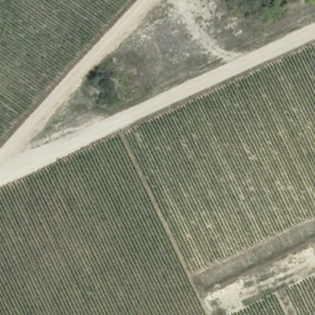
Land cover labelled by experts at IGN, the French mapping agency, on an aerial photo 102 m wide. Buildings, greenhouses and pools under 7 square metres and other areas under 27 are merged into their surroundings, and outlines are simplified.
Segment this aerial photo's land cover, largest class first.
<instances>
[{"label":"vineyard","instance_id":"1","mask_svg":"<svg viewBox=\"0 0 315 315\"><path fill-rule=\"evenodd\" d=\"M137 0H0V148ZM315 221V46L304 49L299 54L284 53L252 66L240 74L148 114L130 123L129 126L108 134L107 137L82 146L75 153L60 157L53 164L0 187V315H215L205 314L202 303L189 283L187 272L208 266V262H213L217 258L229 257L242 250V247L250 246L255 240H262L265 236H273V240H277L279 236L289 234L294 228ZM309 278L295 284L293 288L281 284L242 300L244 309L231 315H315V267H313L308 272Z\"/></svg>","mask_w":315,"mask_h":315},{"label":"herbaceous vegetation","instance_id":"2","mask_svg":"<svg viewBox=\"0 0 315 315\"><path fill-rule=\"evenodd\" d=\"M173 4L167 0H161L153 9L146 12L137 28L107 57L113 60L111 81L117 100H112L111 105L96 103L100 89L92 87L86 78L69 100L57 108L46 127L31 138V148L37 149L39 146L78 133L76 127L82 126L96 116H113L187 80L225 65L223 59L208 54L207 49L192 38V34L187 31L186 23H173L170 20L169 10ZM217 4L214 10L209 11L210 18L197 16L194 21L210 38L215 39L220 48L230 52H252L315 22V0H299L287 4V16L282 20L262 22L266 12L261 16L244 17L239 14V6H234L233 10H226L223 0H210ZM308 247L315 255V221L294 228L289 234L279 236L277 240H273V236H265L262 240H255L250 246L242 247V250L229 257L217 258L213 262H208V266L187 272L189 283L202 303L209 292L223 289L239 278L244 281V287L247 289V293H239L242 300L281 284L293 288L295 284L309 278L308 272L313 267L300 268L282 278H277L276 274L287 272L288 267H281L279 262L284 258L292 263L295 253Z\"/></svg>","mask_w":315,"mask_h":315},{"label":"pervious surface","instance_id":"3","mask_svg":"<svg viewBox=\"0 0 315 315\"><path fill-rule=\"evenodd\" d=\"M161 0H137L0 148V187L53 164L60 157L75 153L82 146L107 137L108 134L129 126L130 123L148 114L240 74L252 66L284 53L299 54L304 49L315 46V22L252 52H230L220 48L215 39L210 38L194 21L197 16L210 18L209 11L214 10L217 4L210 0H167L173 4L169 10L170 20L173 23H186L187 31L192 34V38L207 49L208 54L223 59L225 65L187 80L113 116H96L82 126L76 127L78 133L39 146L37 149L31 148V138L46 127L57 108L69 100L86 78L95 65L107 57L137 28L146 12L153 9ZM279 262L281 267H288L287 272L276 274L277 278H282L300 268L313 267H315V255L308 247L295 253L292 263L284 258ZM247 293V289L244 287V281L239 278L223 289L209 292L202 303L205 314L215 315H231L244 309L242 300L239 293Z\"/></svg>","mask_w":315,"mask_h":315},{"label":"brushwood","instance_id":"4","mask_svg":"<svg viewBox=\"0 0 315 315\"><path fill-rule=\"evenodd\" d=\"M226 10H233L234 6H239V14L244 17L261 16L266 12L262 22L282 20L287 16V4L299 0H223ZM113 60L107 57L95 65L86 78L92 87L100 89L96 103L111 105L112 100H117L111 81Z\"/></svg>","mask_w":315,"mask_h":315}]
</instances>
